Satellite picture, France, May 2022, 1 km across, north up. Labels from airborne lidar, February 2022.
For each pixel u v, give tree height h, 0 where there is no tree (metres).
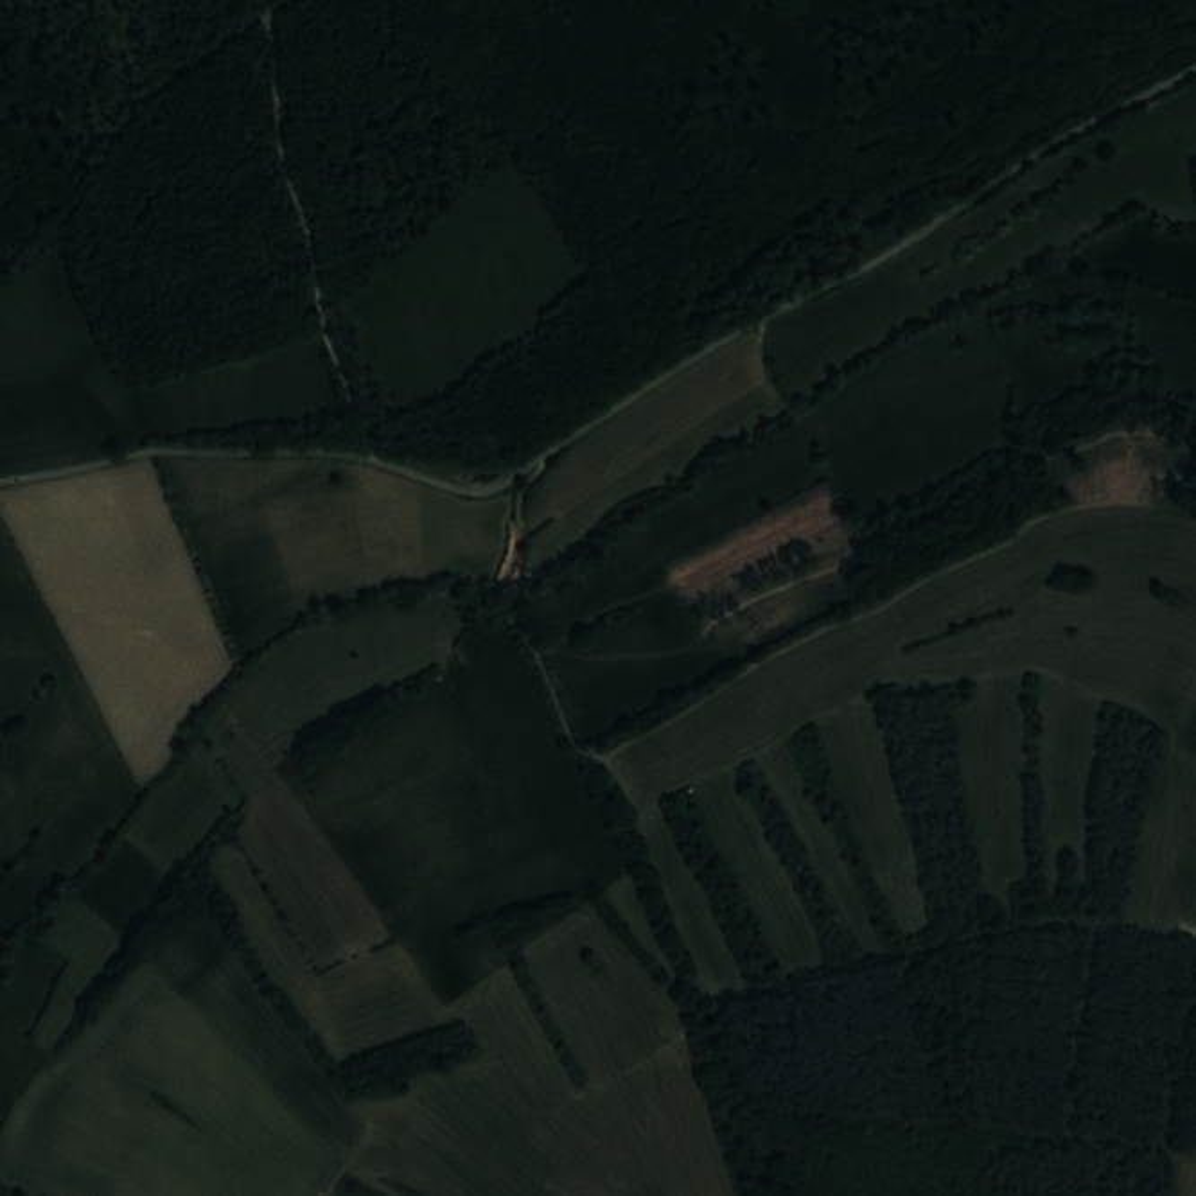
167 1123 0
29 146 10
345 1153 0
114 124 23
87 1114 0
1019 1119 16
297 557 0
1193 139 0
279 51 15
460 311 0
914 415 0
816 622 7
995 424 0
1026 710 10
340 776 0
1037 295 0
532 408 15
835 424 0
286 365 0
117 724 0
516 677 0
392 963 0
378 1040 0
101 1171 0
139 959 11
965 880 13
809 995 17
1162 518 0
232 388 0
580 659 0
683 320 8
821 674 0
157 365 16
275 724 0
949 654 0
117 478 0
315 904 0
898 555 17
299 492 0
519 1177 0
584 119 10
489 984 0
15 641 0
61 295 0
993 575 0
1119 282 17
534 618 11
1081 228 0
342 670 0
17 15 28
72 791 0
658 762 0
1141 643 0
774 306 15
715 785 0
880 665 0
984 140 9
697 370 0
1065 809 0
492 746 0
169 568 0
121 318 17
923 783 17
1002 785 0
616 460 0
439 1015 0
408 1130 0
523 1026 0
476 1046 7
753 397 0
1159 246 0
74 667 0
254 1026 0
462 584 17
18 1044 0
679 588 16
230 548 0
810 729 5
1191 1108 19
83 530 0
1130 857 12
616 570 0
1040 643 0
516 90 10
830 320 0
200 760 0
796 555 25
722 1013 19
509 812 0
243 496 0
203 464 0
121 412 0
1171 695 0
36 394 0
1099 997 19
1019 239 0
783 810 12
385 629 0
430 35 14
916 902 0
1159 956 18
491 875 0
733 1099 8
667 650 0
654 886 12
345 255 14
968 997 11
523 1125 0
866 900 0
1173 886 0
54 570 0
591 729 0
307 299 12
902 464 0
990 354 0
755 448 7
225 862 0
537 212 0
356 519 0
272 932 0
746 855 0
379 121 15
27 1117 0
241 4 20
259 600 0
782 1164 18
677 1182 0
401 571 0
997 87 9
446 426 15
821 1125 10
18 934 6
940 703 19
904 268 0
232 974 0
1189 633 0
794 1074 20
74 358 0
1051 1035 18
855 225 22
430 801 0
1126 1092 20
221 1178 0
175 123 15
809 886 15
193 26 18
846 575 22
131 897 0
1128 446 23
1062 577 15
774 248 19
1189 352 0
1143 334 0
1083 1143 16
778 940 0
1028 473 17
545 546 0
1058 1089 17
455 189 21
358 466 0
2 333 0
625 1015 0
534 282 0
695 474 13
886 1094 17
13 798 0
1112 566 0
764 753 0
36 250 17
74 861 0
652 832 0
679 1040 0
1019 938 19
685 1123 0
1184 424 25
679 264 13
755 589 20
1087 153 0
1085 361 0
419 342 0
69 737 0
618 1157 0
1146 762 18
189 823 0
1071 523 0
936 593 0
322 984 0
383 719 7
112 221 16
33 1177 0
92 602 0
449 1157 0
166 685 0
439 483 0
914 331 15
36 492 0
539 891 0
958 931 12
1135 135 0
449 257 0
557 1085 0
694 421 0
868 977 17
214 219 14
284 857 0
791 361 0
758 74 7
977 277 0
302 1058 0
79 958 0
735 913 10
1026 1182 15
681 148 8
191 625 0
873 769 0
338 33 13
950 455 0
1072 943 17
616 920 12
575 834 0
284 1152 0
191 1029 0
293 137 16
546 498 0
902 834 0
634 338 18
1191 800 0
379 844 0
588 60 9
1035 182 0
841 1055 20
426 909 0
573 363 14
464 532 0
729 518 0
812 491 19
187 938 0
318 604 16
